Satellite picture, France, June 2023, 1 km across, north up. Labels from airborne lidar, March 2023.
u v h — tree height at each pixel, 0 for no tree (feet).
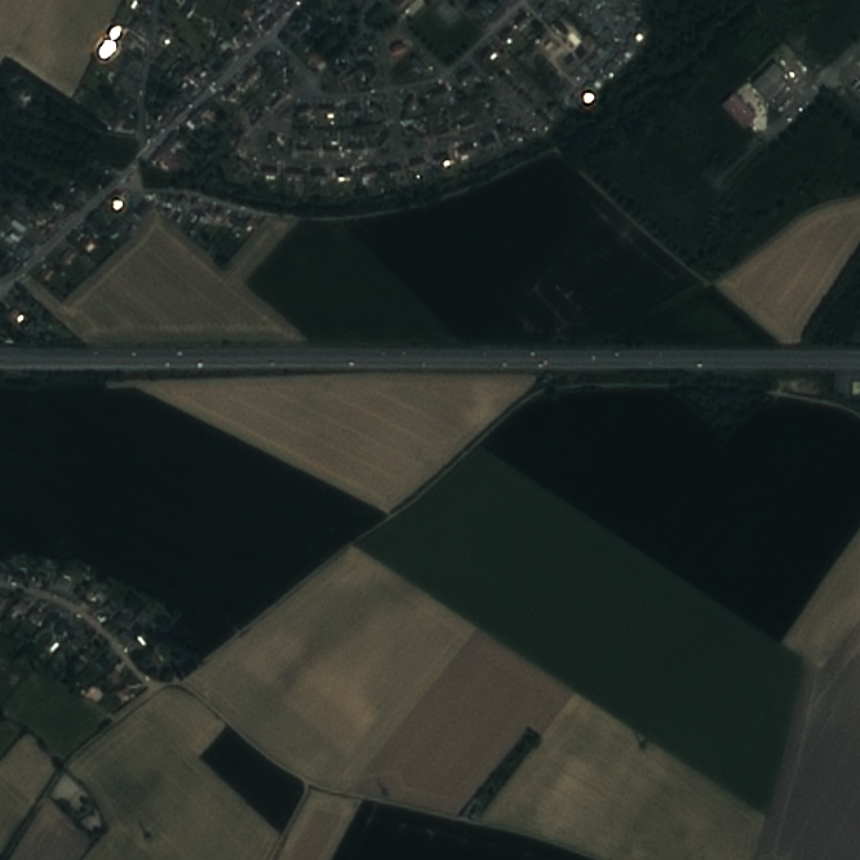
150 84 35
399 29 0
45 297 0
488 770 0
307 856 0
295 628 0
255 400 0
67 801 0
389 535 0
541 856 0
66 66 0
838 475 0
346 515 0
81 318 0
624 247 0
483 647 0
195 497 0
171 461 0
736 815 0
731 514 0
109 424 0
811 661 0
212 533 0
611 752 0
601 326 0
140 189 0
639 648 0
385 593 0
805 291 0
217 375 0
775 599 0
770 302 0
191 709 0
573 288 0
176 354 0
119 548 0
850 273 23
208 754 0
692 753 0
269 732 0
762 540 0
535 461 0
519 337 0
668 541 0
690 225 0
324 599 0
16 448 0
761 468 0
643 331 0
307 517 0
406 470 0
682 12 41
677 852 0
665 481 0
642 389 0
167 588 0
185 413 0
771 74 0
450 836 0
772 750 0
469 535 0
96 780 0
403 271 0
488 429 0
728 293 0
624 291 0
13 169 63
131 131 0
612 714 0
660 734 0
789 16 0
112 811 0
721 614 0
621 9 0
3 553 0
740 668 0
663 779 0
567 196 0
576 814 0
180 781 0
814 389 0
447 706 0
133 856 0
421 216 0
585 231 0
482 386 0
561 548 0
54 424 0
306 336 0
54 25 0
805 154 0
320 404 0
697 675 0
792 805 0
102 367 0
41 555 0
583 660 0
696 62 40
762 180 0
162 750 0
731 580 0
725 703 0
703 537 0
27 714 0
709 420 43
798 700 0
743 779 0
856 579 0
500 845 0
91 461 0
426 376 0
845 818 0
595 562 0
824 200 0
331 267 0
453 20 0
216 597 0
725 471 0
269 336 0
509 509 0
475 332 0
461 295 0
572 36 0
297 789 0
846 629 0
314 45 60
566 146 62
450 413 0
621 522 0
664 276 0
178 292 0
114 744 0
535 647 0
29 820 0
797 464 0
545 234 0
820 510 0
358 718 0
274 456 0
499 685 0
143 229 0
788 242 0
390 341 0
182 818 0
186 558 0
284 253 0
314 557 0
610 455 0
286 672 0
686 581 0
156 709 0
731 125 0
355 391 0
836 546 0
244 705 0
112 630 0
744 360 0
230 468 0
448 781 0
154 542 0
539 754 0
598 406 0
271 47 0
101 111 0
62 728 0
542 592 0
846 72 0
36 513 0
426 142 0
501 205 0
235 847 0
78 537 0
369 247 0
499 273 0
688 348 0
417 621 0
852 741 0
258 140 0
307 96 0
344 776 0
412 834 0
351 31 39
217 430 0
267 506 0
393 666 0
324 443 0
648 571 0
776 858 0
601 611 0
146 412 0
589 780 0
